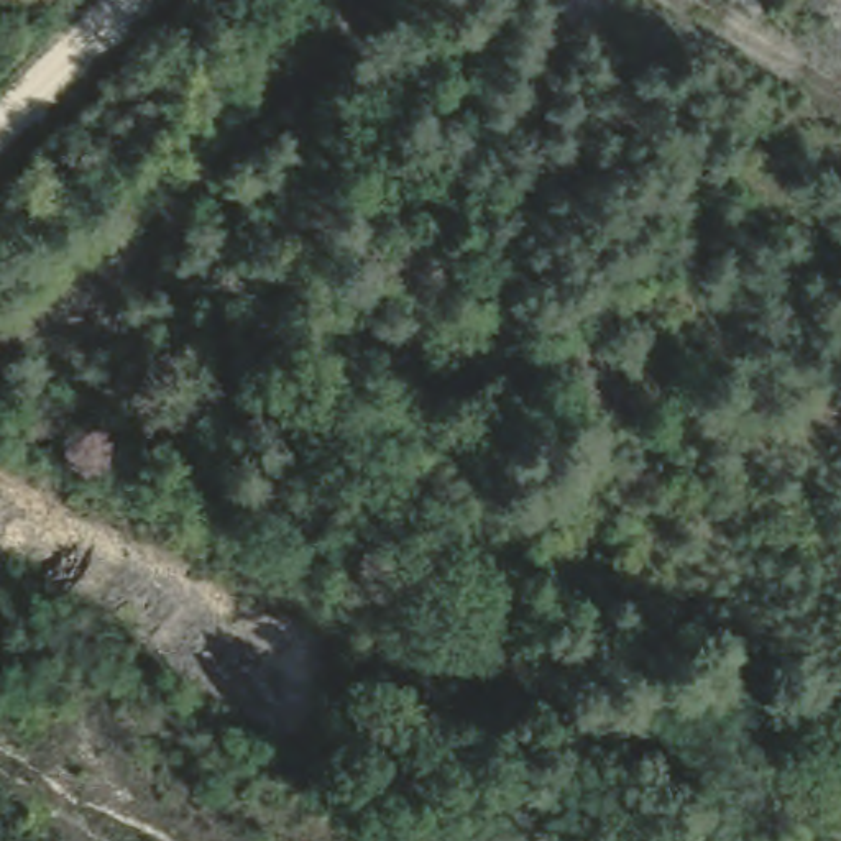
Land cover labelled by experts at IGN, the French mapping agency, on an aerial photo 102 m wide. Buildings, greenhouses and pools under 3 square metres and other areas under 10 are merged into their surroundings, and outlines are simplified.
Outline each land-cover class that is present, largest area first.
<instances>
[{"label":"coniferous trees","instance_id":"1","mask_svg":"<svg viewBox=\"0 0 841 841\"><path fill-rule=\"evenodd\" d=\"M237 0H145L131 13L128 30L105 53L76 56V72L56 92L53 102H30L13 115V125L0 131V470L7 476H20L26 486L39 493H53L76 519L99 522L131 542L158 545L171 558L184 562L191 578L220 585L230 595V601L253 608L260 595L286 598L322 624L345 621V614L361 604L345 572L329 575L322 591H315L306 578L283 581V572L276 565L253 562L243 549V539L237 535V529L253 512L240 503V486L246 483L243 463L263 457L260 434L253 430V414L240 407V388L246 375L256 371L253 365L276 358L279 352H289L296 358V352L306 348L309 355H338L345 365L348 388L352 394H358V401L368 398V378H391L404 384L411 404L421 411L424 421L480 417L486 424L480 443H473L470 450L453 447L447 457L453 460L460 480H466L476 499L489 509L509 512L516 499H526V509L532 512L539 529L503 545L506 565L526 575H549L555 578V595L568 591L581 604L591 601L598 608L591 657L578 664L539 657L509 667L506 660H499V667L489 677H453L401 667L388 654L371 667L365 680L414 690L417 703L424 706L427 726H440L443 736L480 729L496 733L503 739L509 729H522L526 719L539 713V703H549L558 713V726L578 719L581 733L657 736L677 746L683 765L696 769L703 782H713L719 795H742L759 788L765 792L762 802L742 811V841H841V785L815 795L788 779L785 765L811 759L805 752V736L811 733L808 716L825 713L831 700L841 693V148H825L821 158H808L802 138L792 128L772 131V112H765L762 99L729 89L713 66H703L716 33L700 26L690 33H677L664 20L657 3L644 0H322L332 10L329 26L299 33L289 46H283L273 56L263 102L223 105L214 122V138H191L197 158L194 181H158L145 197L138 227L128 217L108 210L95 230L69 233L66 220L56 217V194L62 184L53 174L49 158L69 154V128L79 122L85 108L95 105L105 82L125 85L128 76L138 72L135 56L148 49L154 36H168L174 43L177 30H187V46L200 49L204 43H217L214 23ZM443 56H463L466 95L453 112H443L437 118L440 135L460 128L473 138V148L460 161L457 184L470 187L493 154L503 174L512 177V184L526 194L519 204L522 230L506 243L512 276L499 289V309L463 302V286L457 279H443L440 263L421 250L437 237V220L430 214L417 217L414 227L398 230L384 240L375 237L368 223L352 227V191L329 194V135L332 115L338 112V99L325 85L342 79L348 62H358V82H375L388 72L411 76L427 59ZM572 329L581 332L591 348H611L618 338H624V365L608 368L598 378L601 407L614 417L611 430H588V417L562 414L552 394L558 368L539 365L532 355L535 338L558 342Z\"/></svg>","mask_w":841,"mask_h":841},{"label":"deciduous trees","instance_id":"2","mask_svg":"<svg viewBox=\"0 0 841 841\"><path fill-rule=\"evenodd\" d=\"M332 10L322 0H237L214 23L217 43H204L200 49L187 46V30H177L174 43L168 36H154L148 49L135 56L138 72L128 76L125 85L105 82L95 105L85 108L79 122L69 128V154L49 158L53 174L62 184L56 194V217L66 220L69 233L95 230L108 210L128 217L138 227L145 197L158 181H194L197 158L191 138H214V122L223 105L263 102L273 56L283 46H289L299 33L329 26ZM338 99V112L332 115L329 135V194L352 191V227L368 223L375 237L384 240L398 230L414 227L417 217L430 214L437 220V237L421 250L440 263L443 279H457L463 286V302L499 309V289L512 276L506 243L522 230L519 204L526 194L512 184V177L503 174L493 154L470 187L457 184L460 161L473 148V138L460 128L440 135L437 118L443 112H453L466 95L463 56H443L427 59L411 76L388 72L375 82H358V62H348L342 79L325 85ZM624 338H618L611 348H591L581 332L572 329L558 342L535 338L532 355L539 365L558 368L552 394L562 414L588 417V430H611L614 417L601 407L598 378L608 368L624 365ZM256 371L246 375L240 388V407L253 414V430L260 434L263 457L243 463L246 483L240 486V503L253 512L237 529V535L243 539V549L253 562L276 565L283 572V581L306 578L315 591H322L329 575L345 572L361 604L371 608L378 627L384 631L388 654L401 667L453 677H489L499 667V660H506L509 667L539 657L578 664L591 657L598 608L591 601L581 604L568 591L555 595V578L549 575H526L506 565L503 545L539 529L532 512L526 509V499H516L509 512L489 509L476 499L466 480H460L453 460L447 457L453 447L470 450L473 443H480L486 424L480 417L424 421L421 411L411 404L404 384L391 378H368V398L358 401V394H352L348 388L345 365L338 355H309L306 348L296 352V358L289 352H279L276 358L253 365ZM322 785L329 795L335 792L329 818L332 834L338 841H650L654 834L687 828L693 805L703 795V782L696 769L683 765L677 746L657 736L581 733L578 719L558 726V713L549 703H539V713L526 719L522 729H509L503 739L496 733L480 729L443 736L440 726H427L424 706L417 703L414 690L365 680L345 683V696L338 700V733L315 746ZM811 733L805 736V752L811 759L785 765L788 779L815 795L841 785V693L831 700L825 713L808 716Z\"/></svg>","mask_w":841,"mask_h":841},{"label":"herbaceous vegetation","instance_id":"3","mask_svg":"<svg viewBox=\"0 0 841 841\"><path fill-rule=\"evenodd\" d=\"M657 3L664 20L677 33H690L700 26L716 33L703 66H713L729 89L762 99L765 112H772V131L792 128L802 138L808 158H821L825 148H841V0H644ZM0 545L26 558H39L46 578H59L69 588L89 595L92 601L108 604L115 618L131 624L138 641H145L184 677H210V687L200 696L194 719L217 746V756L227 752V729H243L246 739H263L273 746V762H266L269 779H279L296 792H315L322 785L315 746L338 733V700L345 696V683L365 680L371 667L388 654L384 631L378 627L371 608L361 604L345 614V621L322 624L286 598L260 595L253 608L230 601V595L220 585L191 578L184 562L171 558L158 545L131 542L99 522L76 519L53 493H39L26 486L20 476H7L0 470ZM158 749L118 752L89 726L85 713L62 726H46L30 742V749L7 746L0 739V841H338L332 834L329 818H306L292 828L286 825V815L279 808L260 805L253 815H246L210 808L204 802V785L184 788L171 772H151ZM765 792L759 788L742 795H719L713 782H703V795L693 805L687 828L654 834L650 841H742V811L762 802Z\"/></svg>","mask_w":841,"mask_h":841},{"label":"brushwood","instance_id":"4","mask_svg":"<svg viewBox=\"0 0 841 841\"><path fill-rule=\"evenodd\" d=\"M102 0H0V95L26 76V69L56 43V36L76 30L85 20V13L95 10ZM210 687V677H184L145 641H138L131 624L115 618L108 604L92 601L89 595L69 588L59 578H46L39 558H26L0 545V739L7 746L30 749V742L46 726H62L85 713L89 726L118 752L158 749L151 772H171L184 788L204 785V802L210 808L246 815H253L260 805L279 808L286 815V825L292 828L306 818H329L335 792L329 795L322 785L315 792H296L279 779H269L266 762H273V746L263 739H246L243 729H227V752L217 756V746L194 719L200 696Z\"/></svg>","mask_w":841,"mask_h":841},{"label":"pervious surface","instance_id":"5","mask_svg":"<svg viewBox=\"0 0 841 841\"><path fill-rule=\"evenodd\" d=\"M145 0H102L95 10L85 13V20L76 30L56 36V43L26 69V76L0 95V131L13 125V115L30 102H53L56 92L76 72V56L105 53L128 30L131 13Z\"/></svg>","mask_w":841,"mask_h":841}]
</instances>
